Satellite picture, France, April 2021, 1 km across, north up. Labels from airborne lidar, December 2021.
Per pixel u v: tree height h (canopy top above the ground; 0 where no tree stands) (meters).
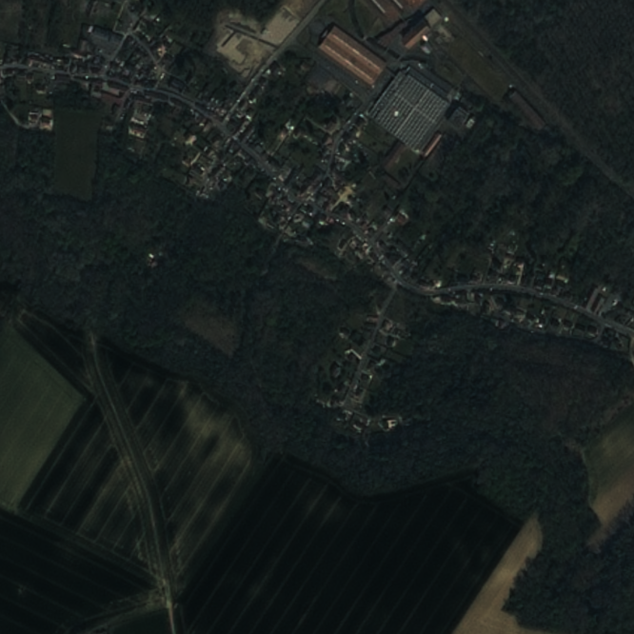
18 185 23
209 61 12
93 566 0
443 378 19
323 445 19
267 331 22
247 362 21
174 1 9
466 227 16
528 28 18
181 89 0
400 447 25
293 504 0
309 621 0
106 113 11
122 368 0
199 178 0
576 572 31
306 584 0
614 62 36
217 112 0
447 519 0
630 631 11
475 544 0
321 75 0
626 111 6
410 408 20
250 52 0
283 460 0
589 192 23
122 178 10
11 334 0
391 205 0
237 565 0
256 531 0
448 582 0
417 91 0
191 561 0
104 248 18
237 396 15
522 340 13
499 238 10
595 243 12
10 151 21
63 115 0
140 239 18
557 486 24
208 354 16
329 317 12
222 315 17
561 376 16
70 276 21
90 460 0
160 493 0
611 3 37
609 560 26
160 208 22
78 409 0
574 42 40
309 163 0
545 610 26
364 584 0
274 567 0
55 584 0
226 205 10
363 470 24
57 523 0
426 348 14
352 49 0
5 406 0
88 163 0
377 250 0
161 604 0
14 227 26
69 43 0
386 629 0
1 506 0
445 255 17
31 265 23
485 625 0
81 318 18
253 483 0
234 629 0
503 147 33
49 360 0
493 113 18
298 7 0
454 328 11
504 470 17
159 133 10
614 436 0
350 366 6
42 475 0
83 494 0
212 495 0
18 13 0
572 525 22
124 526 0
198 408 0
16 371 0
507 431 17
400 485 14
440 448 18
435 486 0
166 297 26
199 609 0
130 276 28
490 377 24
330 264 10
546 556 6
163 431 0
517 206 27
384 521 0
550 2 15
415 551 0
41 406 0
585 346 10
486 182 33
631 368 15
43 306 11
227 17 0
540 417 21
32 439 0
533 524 0
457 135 25
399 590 0
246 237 13
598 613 12
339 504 0
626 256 8
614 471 0
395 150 0
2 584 0
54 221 26
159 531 0
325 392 14
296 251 10
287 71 0
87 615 0
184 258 21
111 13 0
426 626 0
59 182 0
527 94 0
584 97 39
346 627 0
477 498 0
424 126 0
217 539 0
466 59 0
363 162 18
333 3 0
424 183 29
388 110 0
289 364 6
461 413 20
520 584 18
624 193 15
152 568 0
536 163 8
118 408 0
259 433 14
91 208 12
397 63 0
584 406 16
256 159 0
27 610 0
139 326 25
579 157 17
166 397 0
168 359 21
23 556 0
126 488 0
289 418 23
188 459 0
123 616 0
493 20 18
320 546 0
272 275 25
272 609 0
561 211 9
